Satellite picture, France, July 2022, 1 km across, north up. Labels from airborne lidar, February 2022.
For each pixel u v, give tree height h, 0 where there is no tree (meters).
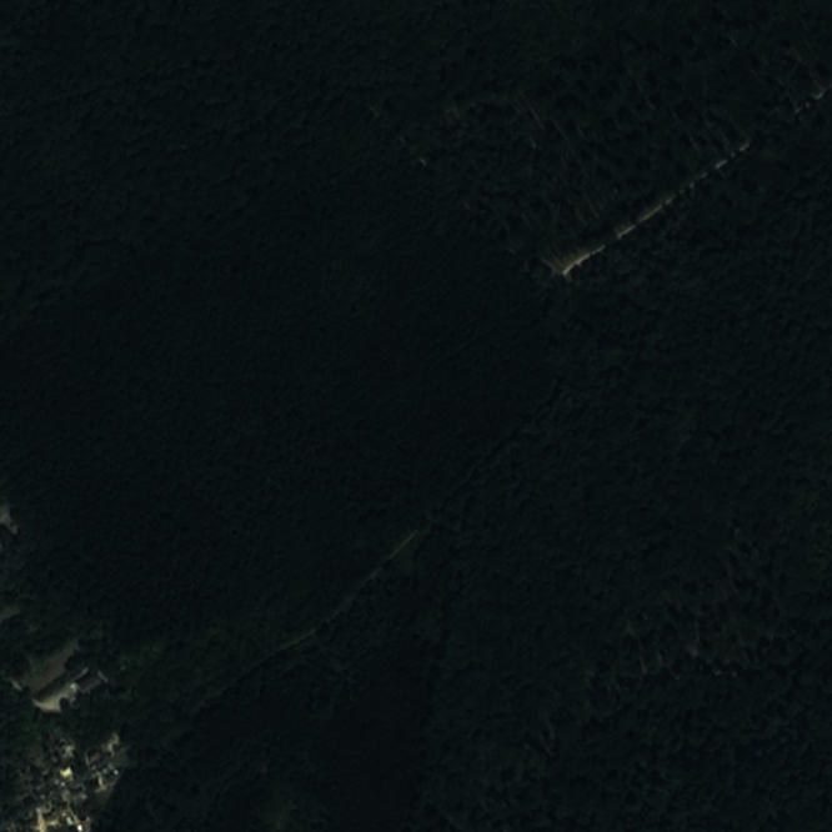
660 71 6
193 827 11
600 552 17
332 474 16
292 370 18
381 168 11
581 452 21
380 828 15
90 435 22
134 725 21
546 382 22
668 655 26
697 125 27
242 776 11
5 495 20
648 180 26
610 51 7
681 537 26
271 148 22
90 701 19
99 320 22
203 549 15
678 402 24
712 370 17
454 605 25
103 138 27
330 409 17
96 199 22
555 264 0
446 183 21
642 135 28
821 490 23
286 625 15
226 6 26
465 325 18
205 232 21
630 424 23
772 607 33
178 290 19
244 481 16
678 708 6
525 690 22
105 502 19
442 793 27
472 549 26
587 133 23
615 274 10
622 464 18
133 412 20
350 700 13
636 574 25
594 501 25
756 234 27
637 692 26
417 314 18
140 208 23
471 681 30
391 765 11
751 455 28
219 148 27
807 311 12
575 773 18
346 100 17
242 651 15
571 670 28
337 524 12
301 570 14
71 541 19
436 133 18
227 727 12
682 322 26
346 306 16
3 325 28
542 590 25
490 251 17
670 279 29
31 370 19
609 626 27
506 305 18
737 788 25
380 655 11
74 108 22
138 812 14
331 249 17
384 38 29
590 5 30
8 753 13
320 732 6
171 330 22
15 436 19
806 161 9
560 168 22
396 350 18
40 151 25
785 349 20
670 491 21
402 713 13
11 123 25
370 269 16
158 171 24
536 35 25
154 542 9
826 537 28
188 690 24
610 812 30
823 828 27
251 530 13
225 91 25
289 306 19
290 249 21
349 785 11
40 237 30
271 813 0
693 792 10
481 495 29
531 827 23
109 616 16
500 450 25
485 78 11
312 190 17
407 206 18
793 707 31
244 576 14
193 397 20
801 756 28
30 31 23
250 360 20
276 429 16
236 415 20
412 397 19
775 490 28
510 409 21
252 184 8
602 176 21
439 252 19
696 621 29
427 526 25
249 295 19
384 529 16
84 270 24
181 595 18
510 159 18
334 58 24
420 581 12
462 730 27
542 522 24
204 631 22
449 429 19
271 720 12
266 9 25
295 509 14
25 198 25
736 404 19
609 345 31
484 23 25
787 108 27
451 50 25
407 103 23
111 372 14
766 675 28
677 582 28
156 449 21
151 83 21
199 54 19
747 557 28
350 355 17
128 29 23
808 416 27
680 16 6
